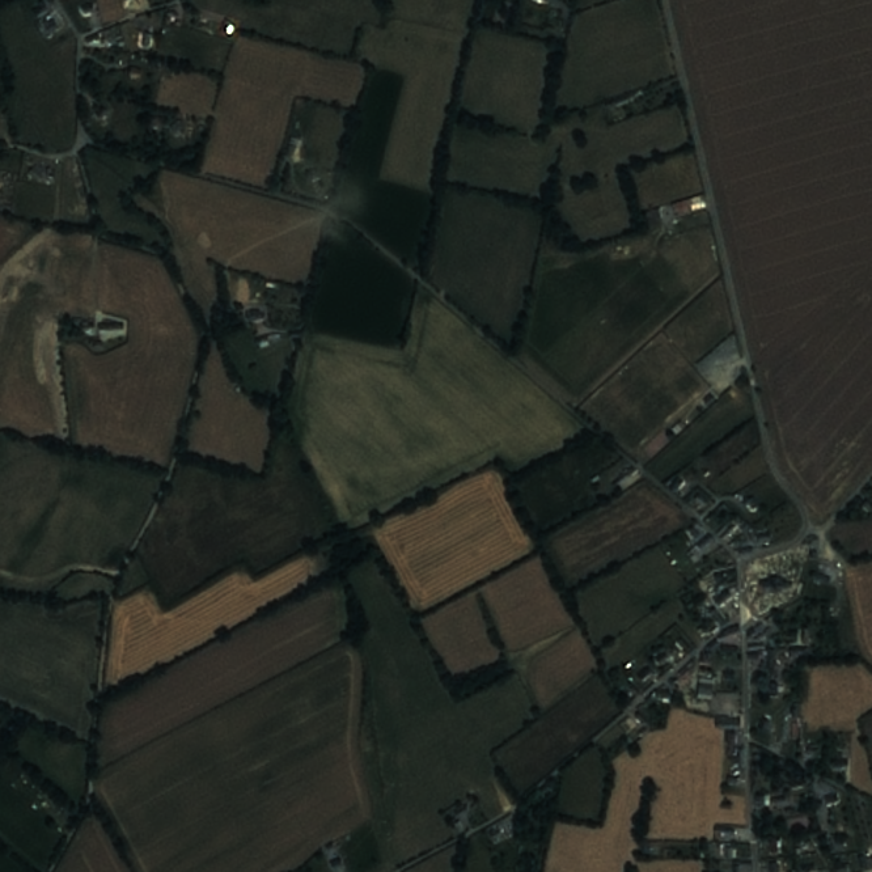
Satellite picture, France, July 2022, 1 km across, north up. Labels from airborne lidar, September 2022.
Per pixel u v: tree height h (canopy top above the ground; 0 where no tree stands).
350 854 0
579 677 0
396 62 0
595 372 0
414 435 0
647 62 0
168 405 0
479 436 0
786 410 0
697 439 0
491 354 0
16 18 0
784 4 0
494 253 0
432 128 0
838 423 0
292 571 0
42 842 0
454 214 0
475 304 0
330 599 0
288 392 14
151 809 0
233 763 0
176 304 0
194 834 0
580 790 0
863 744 12
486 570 0
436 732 0
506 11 13
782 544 0
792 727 0
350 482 0
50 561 0
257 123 0
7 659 0
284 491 0
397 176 0
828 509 0
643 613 0
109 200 0
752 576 0
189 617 0
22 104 0
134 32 0
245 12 0
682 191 0
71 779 0
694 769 0
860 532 0
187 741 0
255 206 0
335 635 0
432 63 0
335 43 0
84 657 0
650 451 0
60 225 10
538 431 0
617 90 0
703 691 0
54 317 0
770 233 0
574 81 0
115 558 0
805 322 0
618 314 0
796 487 0
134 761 0
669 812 0
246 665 0
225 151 0
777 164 0
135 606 0
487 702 0
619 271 0
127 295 0
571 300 0
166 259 20
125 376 0
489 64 0
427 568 0
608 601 0
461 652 0
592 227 0
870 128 0
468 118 17
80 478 0
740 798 0
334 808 0
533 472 12
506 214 0
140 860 0
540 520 0
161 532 0
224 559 0
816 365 0
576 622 12
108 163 0
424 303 0
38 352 0
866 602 0
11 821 0
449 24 0
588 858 0
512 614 0
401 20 0
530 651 0
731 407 0
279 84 0
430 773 0
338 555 8
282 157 6
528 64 0
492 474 0
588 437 16
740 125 0
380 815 0
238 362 0
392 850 0
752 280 0
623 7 0
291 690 0
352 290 0
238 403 0
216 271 8
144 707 0
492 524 0
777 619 9
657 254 0
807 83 0
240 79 0
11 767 0
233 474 12
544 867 6
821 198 0
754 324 0
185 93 0
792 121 0
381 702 0
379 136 0
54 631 0
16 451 0
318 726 0
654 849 0
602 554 0
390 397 0
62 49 0
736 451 0
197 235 0
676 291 0
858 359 0
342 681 0
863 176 0
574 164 0
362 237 12
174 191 0
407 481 0
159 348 0
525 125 0
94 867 0
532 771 0
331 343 0
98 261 0
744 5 0
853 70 0
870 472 0
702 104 0
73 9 0
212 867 0
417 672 0
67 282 0
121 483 0
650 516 0
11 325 0
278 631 0
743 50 0
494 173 0
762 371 0
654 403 0
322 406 0
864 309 0
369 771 0
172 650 0
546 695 0
